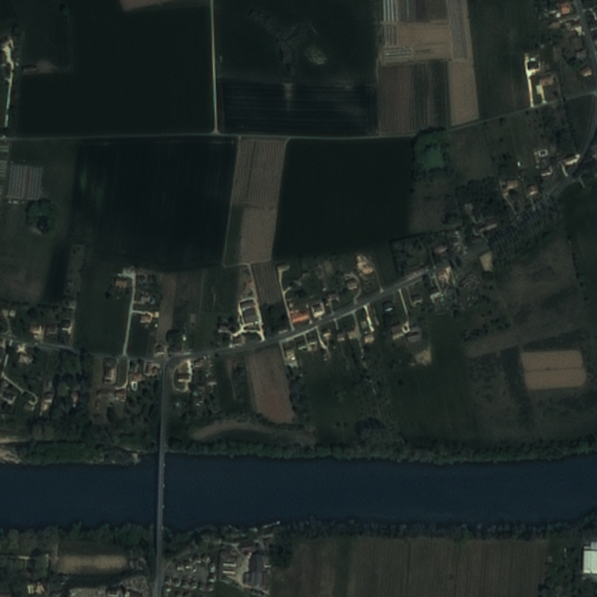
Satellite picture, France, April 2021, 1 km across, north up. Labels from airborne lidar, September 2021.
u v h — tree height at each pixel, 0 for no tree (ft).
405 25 0
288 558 64
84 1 0
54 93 0
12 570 74
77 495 0
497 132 0
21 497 0
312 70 0
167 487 0
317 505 0
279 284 0
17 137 0
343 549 0
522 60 0
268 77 0
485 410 0
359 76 0
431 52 0
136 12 0
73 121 0
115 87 0
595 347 0
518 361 0
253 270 0
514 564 0
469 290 0
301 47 0
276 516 0
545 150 0
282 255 0
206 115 0
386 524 0
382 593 0
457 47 0
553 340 0
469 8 0
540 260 0
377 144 0
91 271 0
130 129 0
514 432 0
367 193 0
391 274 0
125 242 0
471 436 0
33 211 53
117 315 0
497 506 0
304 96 0
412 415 0
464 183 0
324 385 0
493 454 31
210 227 0
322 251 0
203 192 0
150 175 0
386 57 0
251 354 0
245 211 0
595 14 34
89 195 0
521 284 0
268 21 23
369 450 87
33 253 0
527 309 0
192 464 0
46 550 63
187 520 0
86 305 0
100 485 0
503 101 0
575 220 0
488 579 0
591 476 0
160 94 0
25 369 34
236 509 0
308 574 0
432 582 0
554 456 49
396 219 0
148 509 0
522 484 0
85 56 0
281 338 0
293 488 0
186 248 0
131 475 0
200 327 0
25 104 0
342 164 0
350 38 0
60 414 81
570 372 0
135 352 0
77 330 0
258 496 0
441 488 0
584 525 60
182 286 0
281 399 0
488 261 0
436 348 0
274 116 0
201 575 0
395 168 0
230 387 0
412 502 0
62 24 0
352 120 0
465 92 0
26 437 0
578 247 0
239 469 0
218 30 0
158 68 0
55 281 0
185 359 0
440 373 0
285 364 17
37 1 0
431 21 0
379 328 0
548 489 0
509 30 0
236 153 0
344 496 0
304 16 0
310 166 0
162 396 0
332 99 0
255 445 27
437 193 0
